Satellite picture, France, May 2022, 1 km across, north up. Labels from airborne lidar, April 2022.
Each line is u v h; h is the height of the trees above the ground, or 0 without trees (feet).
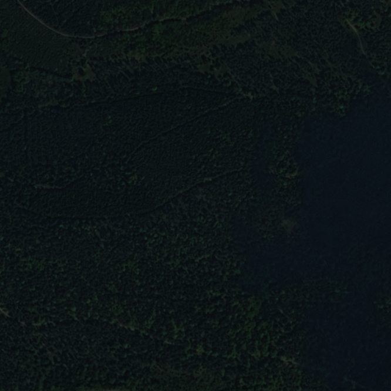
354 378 58
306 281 58
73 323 93
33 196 39
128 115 73
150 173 35
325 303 64
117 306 68
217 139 52
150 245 78
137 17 57
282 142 48
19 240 76
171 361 90
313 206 93
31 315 84
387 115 60
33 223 105
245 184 61
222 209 68
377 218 47
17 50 22
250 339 86
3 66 61
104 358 101
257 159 55
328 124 79
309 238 72
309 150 37
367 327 88
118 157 57
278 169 43
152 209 30
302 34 90
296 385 24
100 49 19
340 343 95
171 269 65
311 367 65
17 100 84
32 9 29
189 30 36
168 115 45
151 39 35
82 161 61
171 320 78
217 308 81
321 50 93
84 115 80
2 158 98
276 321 81
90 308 74
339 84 79
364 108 33
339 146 60
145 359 90
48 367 80
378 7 48
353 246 54
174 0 58
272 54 0
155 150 41
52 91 61
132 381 62
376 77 82
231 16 0
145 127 39
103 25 53
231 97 34
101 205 43
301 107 30
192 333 90
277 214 72
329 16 67
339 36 88
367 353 78
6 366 78
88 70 0
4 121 74
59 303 82
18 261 79
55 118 63
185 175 47
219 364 92
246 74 89
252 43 0
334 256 63
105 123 62
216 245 69
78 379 24
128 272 77
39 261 60
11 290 68
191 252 62
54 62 21
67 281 65
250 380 76
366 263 53
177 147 49
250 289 80
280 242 76
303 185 24
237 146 31
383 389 73
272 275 68
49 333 87
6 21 23
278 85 89
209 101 55
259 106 41
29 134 63
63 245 81
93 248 79
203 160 40
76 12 53
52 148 78
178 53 29
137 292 80
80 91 98
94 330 94
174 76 93
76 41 51
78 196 50
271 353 67
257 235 54
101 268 62
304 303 72
